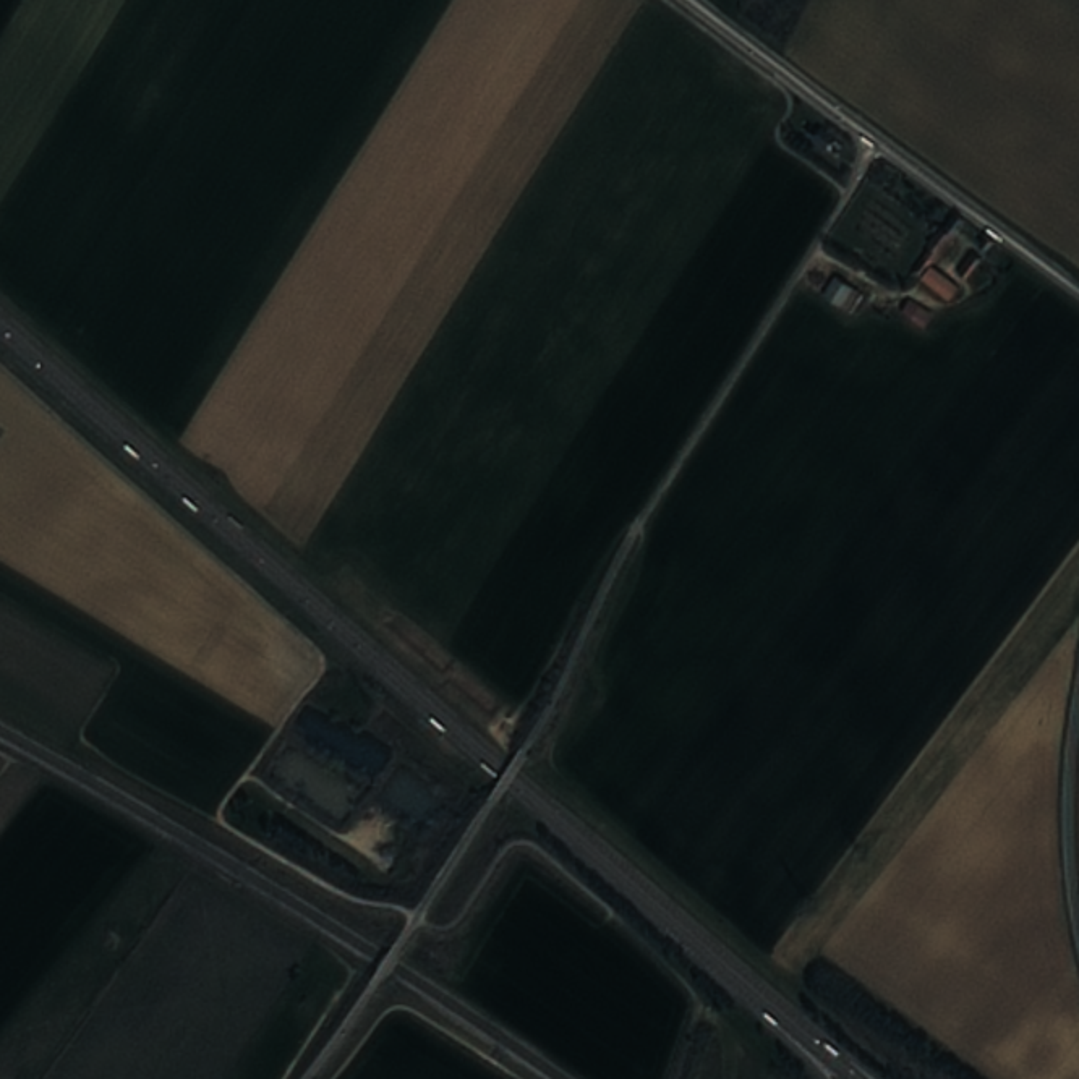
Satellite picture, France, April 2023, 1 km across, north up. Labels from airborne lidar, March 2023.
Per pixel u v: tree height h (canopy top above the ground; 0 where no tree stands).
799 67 0
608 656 0
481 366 0
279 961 0
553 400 0
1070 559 0
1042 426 0
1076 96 0
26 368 0
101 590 0
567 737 0
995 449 0
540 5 0
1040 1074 0
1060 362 0
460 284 0
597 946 0
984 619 0
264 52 0
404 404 0
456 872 0
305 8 0
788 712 0
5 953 0
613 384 0
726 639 0
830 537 0
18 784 0
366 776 0
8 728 0
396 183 0
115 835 0
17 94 0
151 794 0
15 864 0
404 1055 0
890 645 0
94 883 0
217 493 0
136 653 0
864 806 0
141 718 0
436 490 0
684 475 0
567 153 0
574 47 0
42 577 0
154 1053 0
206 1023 0
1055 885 0
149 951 0
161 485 0
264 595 0
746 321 0
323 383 0
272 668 0
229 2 0
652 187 0
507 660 0
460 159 0
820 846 0
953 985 0
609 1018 0
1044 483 0
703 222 0
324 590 0
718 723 0
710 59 0
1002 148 0
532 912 0
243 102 0
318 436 0
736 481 0
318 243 0
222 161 0
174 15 0
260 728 0
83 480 0
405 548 0
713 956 0
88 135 0
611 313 0
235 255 0
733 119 0
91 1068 0
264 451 0
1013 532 0
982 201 0
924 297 0
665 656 0
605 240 0
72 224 0
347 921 0
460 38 0
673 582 0
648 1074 0
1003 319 0
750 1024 0
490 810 0
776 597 0
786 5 23
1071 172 0
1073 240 0
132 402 0
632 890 0
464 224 0
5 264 0
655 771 0
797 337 0
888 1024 14
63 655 0
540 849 0
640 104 0
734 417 0
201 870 0
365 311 0
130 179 0
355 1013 0
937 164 0
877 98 0
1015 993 0
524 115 0
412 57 0
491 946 0
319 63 0
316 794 0
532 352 0
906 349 0
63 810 0
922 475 0
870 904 0
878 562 0
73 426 0
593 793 0
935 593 0
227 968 0
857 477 0
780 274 0
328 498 0
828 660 0
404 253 0
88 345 0
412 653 0
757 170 0
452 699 0
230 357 0
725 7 0
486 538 0
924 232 0
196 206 0
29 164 0
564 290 0
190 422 0
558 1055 0
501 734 0
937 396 0
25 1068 0
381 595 0
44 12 0
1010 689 0
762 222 0
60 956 0
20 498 0
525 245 0
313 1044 0
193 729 0
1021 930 0
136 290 0
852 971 0
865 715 0
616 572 0
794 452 0
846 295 0
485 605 0
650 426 0
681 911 0
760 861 0
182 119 0
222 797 0
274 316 0
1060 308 0
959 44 0
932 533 0
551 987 0
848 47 0
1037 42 0
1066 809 0
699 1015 0
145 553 0
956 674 0
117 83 0
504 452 0
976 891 0
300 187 0
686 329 0
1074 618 0
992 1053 0
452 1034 0
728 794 0
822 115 0
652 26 0
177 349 0
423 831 9
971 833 0
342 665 0
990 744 0
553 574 0
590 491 0
